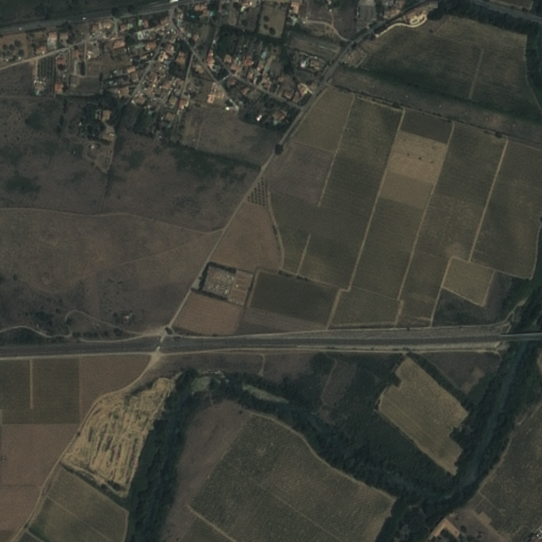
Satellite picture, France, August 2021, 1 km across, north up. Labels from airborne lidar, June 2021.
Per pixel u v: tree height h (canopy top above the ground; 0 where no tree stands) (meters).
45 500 0
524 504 0
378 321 0
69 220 0
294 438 0
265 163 0
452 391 7
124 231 0
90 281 0
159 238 0
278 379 0
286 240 0
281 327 0
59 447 0
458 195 0
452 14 10
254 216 0
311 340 0
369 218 0
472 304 0
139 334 0
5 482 0
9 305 0
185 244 0
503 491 0
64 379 0
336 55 0
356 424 8
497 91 0
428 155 0
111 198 0
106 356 0
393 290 0
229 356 0
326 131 0
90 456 0
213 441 0
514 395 13
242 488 0
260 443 0
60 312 9
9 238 0
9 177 0
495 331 0
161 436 11
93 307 0
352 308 0
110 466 0
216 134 0
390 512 0
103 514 0
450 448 0
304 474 0
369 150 0
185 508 0
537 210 0
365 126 0
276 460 0
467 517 0
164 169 0
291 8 7
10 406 0
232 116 0
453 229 0
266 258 0
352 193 0
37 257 0
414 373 0
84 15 0
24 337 8
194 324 0
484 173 0
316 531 0
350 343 0
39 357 0
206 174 0
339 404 7
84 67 7
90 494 0
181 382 9
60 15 0
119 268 0
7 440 0
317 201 0
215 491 0
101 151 0
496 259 0
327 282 0
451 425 0
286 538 0
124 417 0
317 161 0
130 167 0
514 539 0
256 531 0
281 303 0
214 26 7
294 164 0
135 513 7
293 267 0
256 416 0
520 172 0
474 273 0
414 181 0
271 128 15
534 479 0
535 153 0
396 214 0
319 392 6
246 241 0
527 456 0
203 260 0
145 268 0
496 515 0
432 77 0
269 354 0
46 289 0
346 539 0
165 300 0
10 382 0
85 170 0
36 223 0
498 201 0
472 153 0
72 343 0
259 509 0
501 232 0
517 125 0
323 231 0
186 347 0
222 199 0
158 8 0
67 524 0
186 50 11
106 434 0
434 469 13
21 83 0
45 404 0
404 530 20
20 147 0
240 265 0
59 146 0
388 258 0
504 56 0
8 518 0
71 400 0
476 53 0
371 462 13
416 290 0
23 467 0
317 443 7
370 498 0
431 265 0
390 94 0
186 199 0
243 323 0
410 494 15
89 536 0
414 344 0
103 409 0
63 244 0
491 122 0
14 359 0
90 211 0
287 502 0
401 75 0
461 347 0
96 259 0
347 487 0
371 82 0
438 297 0
